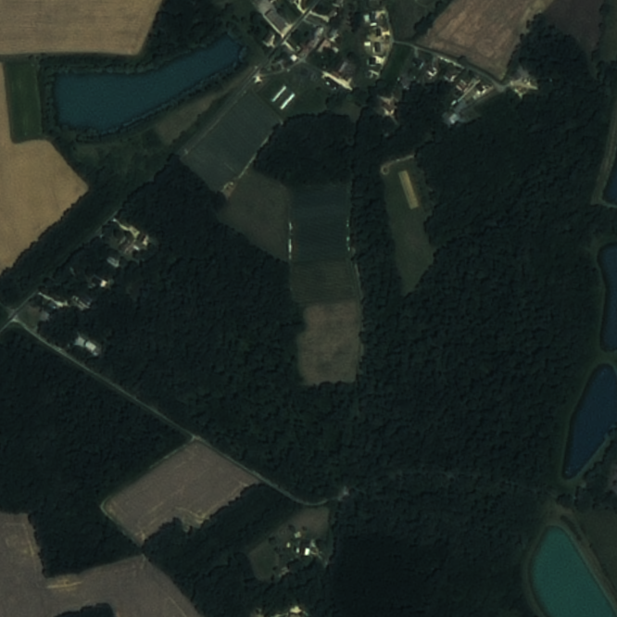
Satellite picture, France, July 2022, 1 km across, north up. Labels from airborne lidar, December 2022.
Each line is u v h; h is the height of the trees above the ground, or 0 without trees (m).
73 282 19
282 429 22
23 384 29
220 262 21
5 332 6
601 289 17
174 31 18
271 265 25
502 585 8
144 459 20
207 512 0
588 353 21
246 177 0
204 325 23
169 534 28
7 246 0
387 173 0
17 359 28
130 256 0
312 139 25
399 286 18
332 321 0
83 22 0
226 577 23
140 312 19
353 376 0
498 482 19
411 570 23
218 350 24
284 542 0
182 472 0
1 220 0
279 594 21
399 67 0
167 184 22
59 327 23
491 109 6
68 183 0
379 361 27
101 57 6
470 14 0
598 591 0
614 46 0
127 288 19
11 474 30
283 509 18
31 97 0
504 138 6
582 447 0
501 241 34
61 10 0
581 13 0
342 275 0
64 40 0
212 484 0
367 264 20
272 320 28
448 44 0
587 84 16
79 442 19
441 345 27
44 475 28
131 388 21
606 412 0
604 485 21
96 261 25
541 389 29
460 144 22
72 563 24
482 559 27
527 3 0
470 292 25
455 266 25
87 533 25
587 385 0
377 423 27
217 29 13
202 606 15
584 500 21
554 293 17
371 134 25
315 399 23
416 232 0
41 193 0
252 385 14
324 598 19
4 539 0
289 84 0
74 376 19
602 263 0
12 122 0
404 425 28
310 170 22
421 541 25
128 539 15
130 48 0
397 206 0
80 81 0
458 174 21
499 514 26
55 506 28
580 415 0
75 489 24
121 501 0
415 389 17
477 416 26
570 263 17
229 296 22
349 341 0
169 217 22
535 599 0
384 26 0
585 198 19
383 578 24
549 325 26
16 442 29
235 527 19
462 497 26
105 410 21
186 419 24
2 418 31
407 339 30
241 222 0
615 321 0
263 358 25
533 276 20
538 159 11
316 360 0
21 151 0
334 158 20
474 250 22
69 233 12
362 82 0
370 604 26
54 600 0
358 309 0
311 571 17
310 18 0
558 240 20
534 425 26
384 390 12
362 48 0
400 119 23
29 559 0
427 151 21
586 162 22
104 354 10
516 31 0
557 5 0
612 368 0
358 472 24
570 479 0
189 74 0
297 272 0
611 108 7
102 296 20
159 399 20
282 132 24
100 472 17
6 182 0
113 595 0
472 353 26
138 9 0
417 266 0
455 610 10
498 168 20
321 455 21
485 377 28
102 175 16
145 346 25
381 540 24
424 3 0
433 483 26
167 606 0
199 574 7
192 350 20
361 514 29
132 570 0
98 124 0
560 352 23
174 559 19
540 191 22
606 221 25
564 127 16
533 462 26
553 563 0
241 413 22
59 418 13
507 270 30
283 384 23
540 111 9
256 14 6
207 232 23
